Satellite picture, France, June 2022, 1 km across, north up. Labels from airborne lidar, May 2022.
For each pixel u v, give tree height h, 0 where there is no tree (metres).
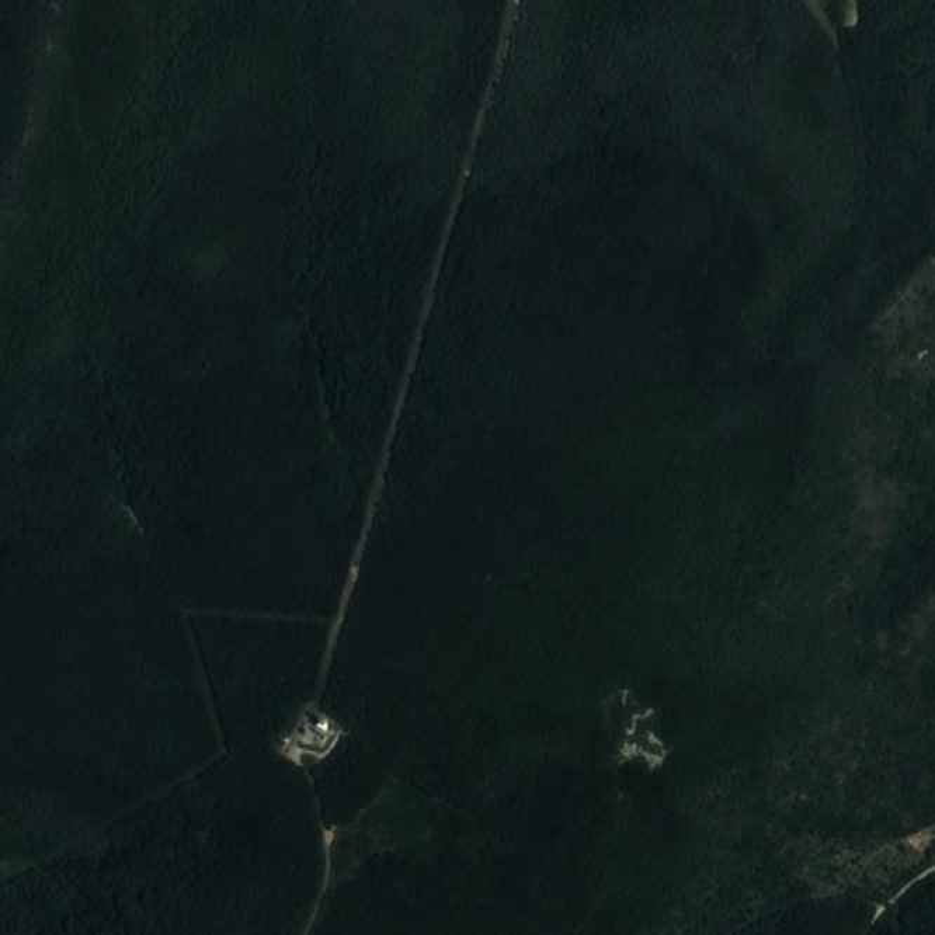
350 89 7
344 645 10
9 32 12
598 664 8
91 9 10
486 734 12
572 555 10
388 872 13
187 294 7
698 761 8
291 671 12
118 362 9
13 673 10
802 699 6
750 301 9
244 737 10
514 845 7
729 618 7
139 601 9
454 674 8
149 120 7
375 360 12
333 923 9
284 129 8
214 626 9
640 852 13
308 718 0
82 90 8
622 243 8
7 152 6
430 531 9
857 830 9
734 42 8
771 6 8
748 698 7
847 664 6
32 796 7
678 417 8
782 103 6
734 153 11
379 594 7
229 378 11
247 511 8
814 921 8
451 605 6
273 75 8
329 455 9
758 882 11
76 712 7
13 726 8
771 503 10
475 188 9
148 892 11
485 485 9
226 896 10
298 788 13
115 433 16
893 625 6
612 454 8
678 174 7
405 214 12
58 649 8
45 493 10
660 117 7
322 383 7
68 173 10
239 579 7
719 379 8
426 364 9
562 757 7
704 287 11
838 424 6
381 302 15
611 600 9
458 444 7
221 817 12
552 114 12
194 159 8
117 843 8
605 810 9
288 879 10
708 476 8
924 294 6
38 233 6
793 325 10
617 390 8
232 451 8
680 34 6
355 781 12
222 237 6
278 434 13
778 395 10
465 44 10
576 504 8
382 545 9
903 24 8
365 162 8
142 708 8
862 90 6
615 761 7
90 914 17
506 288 8
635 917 13
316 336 17
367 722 10
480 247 10
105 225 9
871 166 9
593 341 8
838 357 6
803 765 7
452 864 9
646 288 6
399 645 8
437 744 13
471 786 11
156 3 7
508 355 7
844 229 8
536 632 9
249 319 10
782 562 6
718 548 7
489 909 10
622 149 10
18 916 13
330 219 16
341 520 7
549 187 7
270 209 8
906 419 7
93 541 7
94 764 8
